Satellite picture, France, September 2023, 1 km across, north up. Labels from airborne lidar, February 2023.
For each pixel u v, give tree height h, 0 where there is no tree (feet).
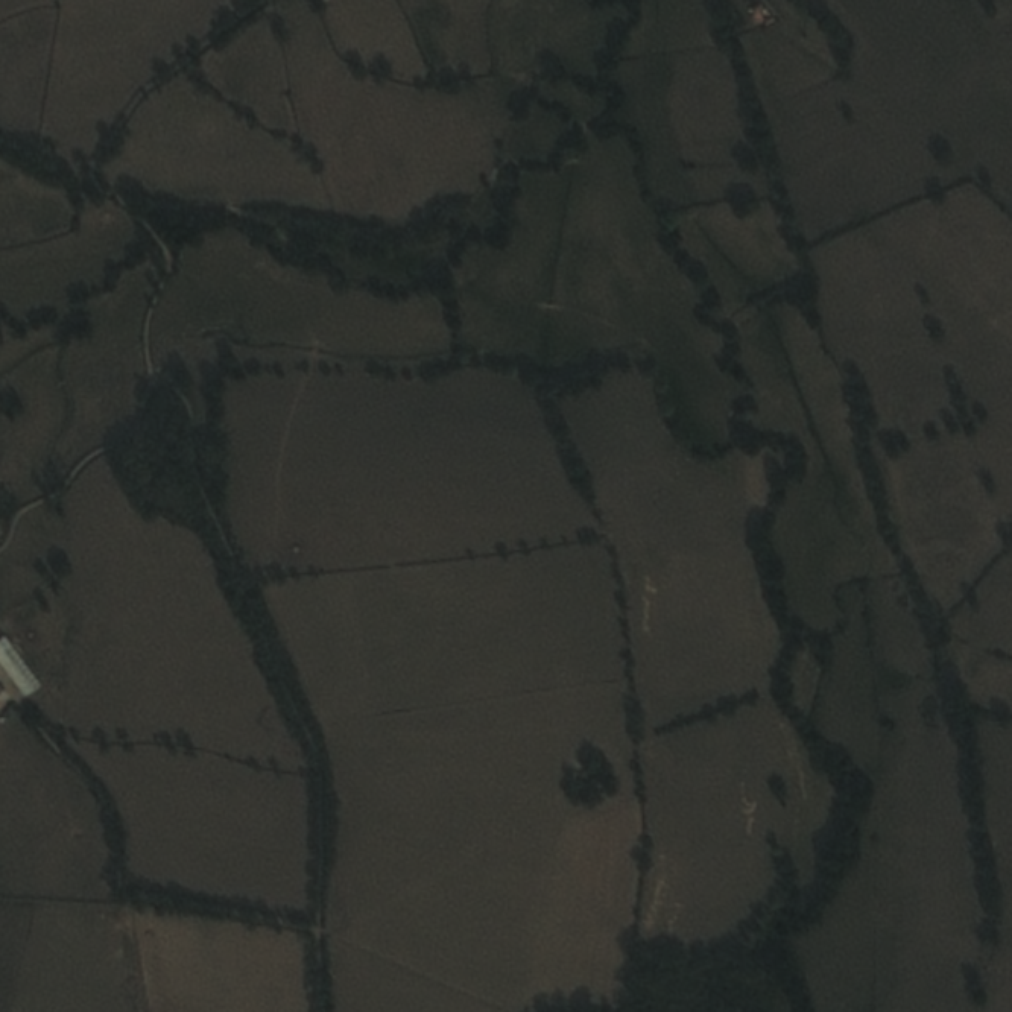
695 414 0
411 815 0
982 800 44
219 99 32
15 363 0
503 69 0
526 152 0
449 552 0
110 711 0
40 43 0
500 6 0
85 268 0
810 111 0
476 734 0
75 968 0
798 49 0
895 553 37
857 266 0
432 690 0
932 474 0
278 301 0
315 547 0
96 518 0
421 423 0
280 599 0
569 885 0
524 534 0
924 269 0
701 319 38
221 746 0
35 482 0
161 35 0
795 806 0
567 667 0
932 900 0
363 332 0
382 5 0
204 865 0
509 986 0
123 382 0
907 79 0
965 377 0
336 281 81
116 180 0
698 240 0
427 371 39
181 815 0
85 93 0
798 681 0
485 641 0
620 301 0
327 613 0
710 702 0
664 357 0
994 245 0
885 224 0
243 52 0
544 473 0
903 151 0
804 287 63
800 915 43
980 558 0
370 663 0
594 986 0
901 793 0
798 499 0
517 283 0
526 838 0
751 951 49
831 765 43
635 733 50
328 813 50
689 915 0
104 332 0
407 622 0
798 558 0
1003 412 0
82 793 0
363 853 0
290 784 0
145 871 0
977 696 0
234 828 0
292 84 0
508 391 0
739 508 0
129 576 0
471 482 0
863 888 0
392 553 0
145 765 0
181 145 0
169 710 0
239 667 0
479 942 0
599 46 0
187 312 0
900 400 0
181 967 0
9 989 0
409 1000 0
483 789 0
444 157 0
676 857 0
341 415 0
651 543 0
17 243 0
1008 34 0
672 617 0
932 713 0
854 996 0
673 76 0
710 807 0
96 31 0
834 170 0
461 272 0
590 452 0
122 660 0
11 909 0
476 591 0
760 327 0
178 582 0
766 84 0
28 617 0
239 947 0
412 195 0
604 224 0
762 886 0
